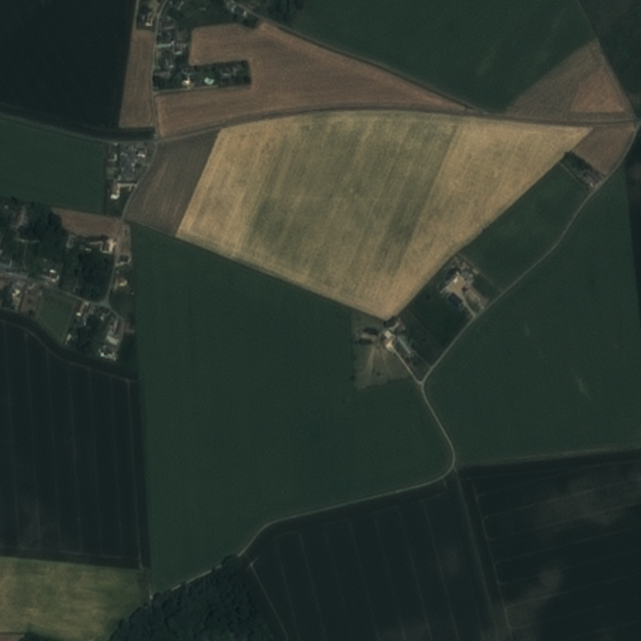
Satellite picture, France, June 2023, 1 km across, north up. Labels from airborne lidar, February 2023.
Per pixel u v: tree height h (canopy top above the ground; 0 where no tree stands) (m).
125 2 0
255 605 19
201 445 0
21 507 0
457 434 0
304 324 0
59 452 0
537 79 0
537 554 0
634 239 0
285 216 0
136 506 0
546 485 0
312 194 0
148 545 0
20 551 0
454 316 0
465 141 0
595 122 0
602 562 0
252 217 0
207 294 0
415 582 0
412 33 0
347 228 0
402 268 0
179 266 0
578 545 0
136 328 0
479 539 0
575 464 0
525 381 0
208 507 0
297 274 0
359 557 0
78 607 0
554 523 0
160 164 0
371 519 0
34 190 0
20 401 0
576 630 0
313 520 0
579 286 0
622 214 0
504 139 0
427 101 0
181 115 0
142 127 0
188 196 0
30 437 0
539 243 0
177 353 0
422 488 0
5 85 0
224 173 0
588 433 0
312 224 0
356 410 0
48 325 0
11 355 0
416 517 0
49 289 0
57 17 0
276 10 6
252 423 0
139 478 0
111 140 0
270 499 0
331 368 0
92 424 0
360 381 0
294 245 0
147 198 0
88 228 0
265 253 0
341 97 0
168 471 0
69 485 0
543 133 0
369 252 0
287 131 0
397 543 0
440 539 0
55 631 0
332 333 0
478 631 0
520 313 0
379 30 0
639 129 0
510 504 0
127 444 0
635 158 0
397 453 0
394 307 0
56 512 0
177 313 0
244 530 0
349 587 0
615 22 0
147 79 0
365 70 0
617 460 0
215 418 0
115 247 0
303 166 0
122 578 0
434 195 0
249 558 0
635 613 0
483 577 0
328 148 0
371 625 0
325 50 0
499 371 0
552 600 0
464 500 0
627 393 0
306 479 0
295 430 0
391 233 0
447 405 0
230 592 22
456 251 0
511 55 0
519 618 0
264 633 18
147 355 0
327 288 0
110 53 0
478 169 0
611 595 0
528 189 0
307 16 0
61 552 0
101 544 0
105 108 0
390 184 0
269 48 0
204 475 0
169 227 0
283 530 0
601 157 0
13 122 0
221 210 0
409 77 0
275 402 0
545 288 0
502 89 0
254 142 0
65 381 0
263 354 0
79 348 6
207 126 0
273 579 0
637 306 0
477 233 0
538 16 0
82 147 0
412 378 0
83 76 0
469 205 0
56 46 0
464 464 0
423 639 0
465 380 0
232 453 0
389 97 0
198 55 0
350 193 0
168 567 0
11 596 0
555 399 0
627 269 0
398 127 0
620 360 0
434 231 0
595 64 0
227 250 0
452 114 0
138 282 0
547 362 0
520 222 0
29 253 0
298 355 0
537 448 0
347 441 0
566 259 0
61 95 0
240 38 0
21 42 0
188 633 22
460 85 0
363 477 0
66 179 0
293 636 0
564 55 0
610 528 0
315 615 0
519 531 0
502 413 0
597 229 0
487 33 0
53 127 0
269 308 0
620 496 0
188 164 0
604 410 0
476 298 0
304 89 0
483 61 0
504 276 0
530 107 0
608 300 0
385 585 0
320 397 0
